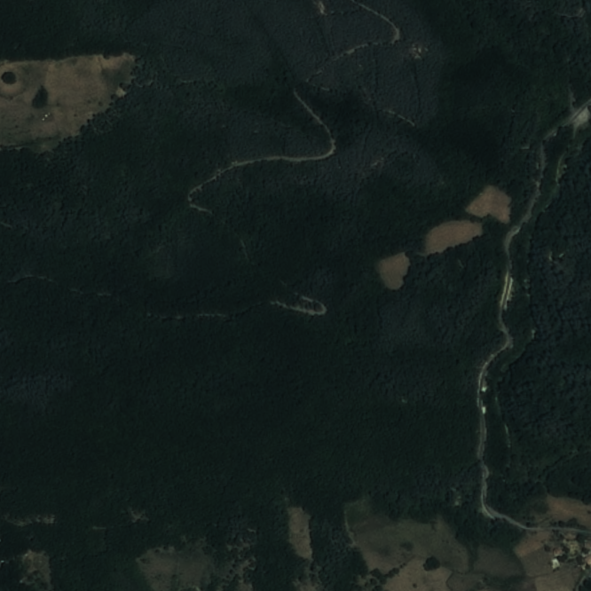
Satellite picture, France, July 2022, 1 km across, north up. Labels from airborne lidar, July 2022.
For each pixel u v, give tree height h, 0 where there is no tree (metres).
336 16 13
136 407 15
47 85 0
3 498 16
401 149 14
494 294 14
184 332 21
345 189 16
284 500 11
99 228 20
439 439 18
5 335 15
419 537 0
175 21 15
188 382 20
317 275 23
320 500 18
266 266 17
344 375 24
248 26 15
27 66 0
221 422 17
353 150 15
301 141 11
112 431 14
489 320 21
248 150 11
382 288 11
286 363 23
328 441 16
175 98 7
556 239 14
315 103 13
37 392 19
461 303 23
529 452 12
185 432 17
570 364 15
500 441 12
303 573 14
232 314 12
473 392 14
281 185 13
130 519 10
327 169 14
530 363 31
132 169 12
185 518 13
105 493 14
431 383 24
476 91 14
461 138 19
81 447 10
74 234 16
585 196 13
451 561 0
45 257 19
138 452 19
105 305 18
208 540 10
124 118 11
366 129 13
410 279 19
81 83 0
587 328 28
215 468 14
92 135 16
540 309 31
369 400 20
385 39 11
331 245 16
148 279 11
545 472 11
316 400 12
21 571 9
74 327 20
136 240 18
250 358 19
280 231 18
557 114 10
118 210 14
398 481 15
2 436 8
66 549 13
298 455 16
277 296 12
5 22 17
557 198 6
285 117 11
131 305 12
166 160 11
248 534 16
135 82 12
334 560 19
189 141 13
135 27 17
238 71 17
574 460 9
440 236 0
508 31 18
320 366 20
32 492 14
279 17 11
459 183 9
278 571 17
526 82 9
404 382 18
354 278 16
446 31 19
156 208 15
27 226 19
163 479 13
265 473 15
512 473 16
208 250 8
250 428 16
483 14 18
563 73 17
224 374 17
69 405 14
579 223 14
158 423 19
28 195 18
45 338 17
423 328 13
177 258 8
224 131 14
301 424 18
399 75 15
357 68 9
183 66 14
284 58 12
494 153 19
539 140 10
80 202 16
